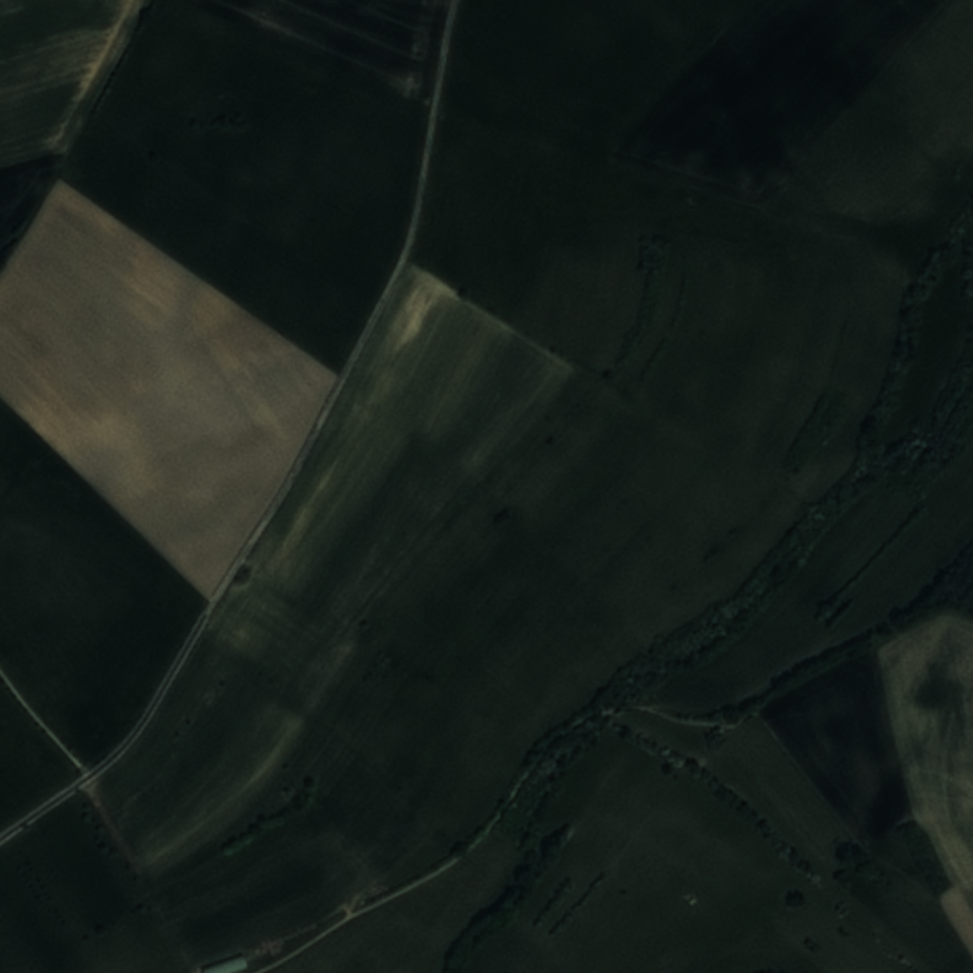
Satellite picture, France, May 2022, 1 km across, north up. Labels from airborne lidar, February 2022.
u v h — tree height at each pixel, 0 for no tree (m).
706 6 0
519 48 0
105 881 0
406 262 0
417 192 0
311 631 0
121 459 0
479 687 0
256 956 0
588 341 0
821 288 0
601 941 0
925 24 0
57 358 0
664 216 0
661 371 0
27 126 0
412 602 0
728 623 8
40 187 0
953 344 0
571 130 0
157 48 0
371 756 0
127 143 0
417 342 0
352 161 0
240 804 0
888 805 0
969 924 0
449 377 0
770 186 0
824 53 0
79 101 0
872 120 0
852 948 0
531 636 0
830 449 0
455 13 0
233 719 0
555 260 0
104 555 0
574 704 0
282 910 0
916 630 0
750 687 0
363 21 0
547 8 0
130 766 0
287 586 0
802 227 0
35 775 0
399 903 0
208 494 0
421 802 0
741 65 0
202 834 0
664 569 0
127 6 0
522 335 0
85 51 0
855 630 0
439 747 0
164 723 0
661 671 6
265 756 0
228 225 0
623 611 0
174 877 0
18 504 0
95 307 0
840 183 0
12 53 0
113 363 0
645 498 0
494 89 0
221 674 0
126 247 0
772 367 0
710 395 0
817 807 0
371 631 0
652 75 0
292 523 0
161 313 0
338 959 0
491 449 0
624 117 0
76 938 0
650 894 0
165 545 0
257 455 0
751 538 0
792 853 12
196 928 0
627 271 0
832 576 0
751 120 0
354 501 0
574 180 0
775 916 0
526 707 0
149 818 0
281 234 0
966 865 0
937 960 0
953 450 9
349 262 0
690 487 0
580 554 0
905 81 0
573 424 0
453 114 0
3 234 0
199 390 0
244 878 0
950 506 0
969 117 0
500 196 0
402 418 0
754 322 0
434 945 0
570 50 0
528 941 0
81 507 0
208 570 0
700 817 0
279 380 0
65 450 0
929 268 12
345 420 0
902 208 0
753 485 0
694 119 0
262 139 0
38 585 0
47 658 0
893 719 0
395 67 0
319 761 0
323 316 0
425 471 0
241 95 0
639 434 0
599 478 0
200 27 0
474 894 0
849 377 0
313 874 0
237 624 0
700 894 0
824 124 0
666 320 0
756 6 0
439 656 0
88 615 0
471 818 0
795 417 0
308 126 0
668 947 0
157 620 0
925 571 0
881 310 0
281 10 0
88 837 0
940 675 0
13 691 0
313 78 0
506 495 0
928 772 0
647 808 0
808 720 0
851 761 0
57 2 0
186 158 0
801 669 10
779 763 0
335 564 0
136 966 0
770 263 0
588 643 0
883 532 0
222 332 0
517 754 0
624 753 0
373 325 0
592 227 0
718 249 0
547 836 0
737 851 0
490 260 0
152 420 0
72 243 0
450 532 0
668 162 0
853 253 0
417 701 0
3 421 0
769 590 13
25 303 0
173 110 0
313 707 0
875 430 16
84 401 0
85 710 0
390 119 0
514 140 0
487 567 0
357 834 0
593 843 0
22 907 0
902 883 0
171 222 0
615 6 0
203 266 0
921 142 0
